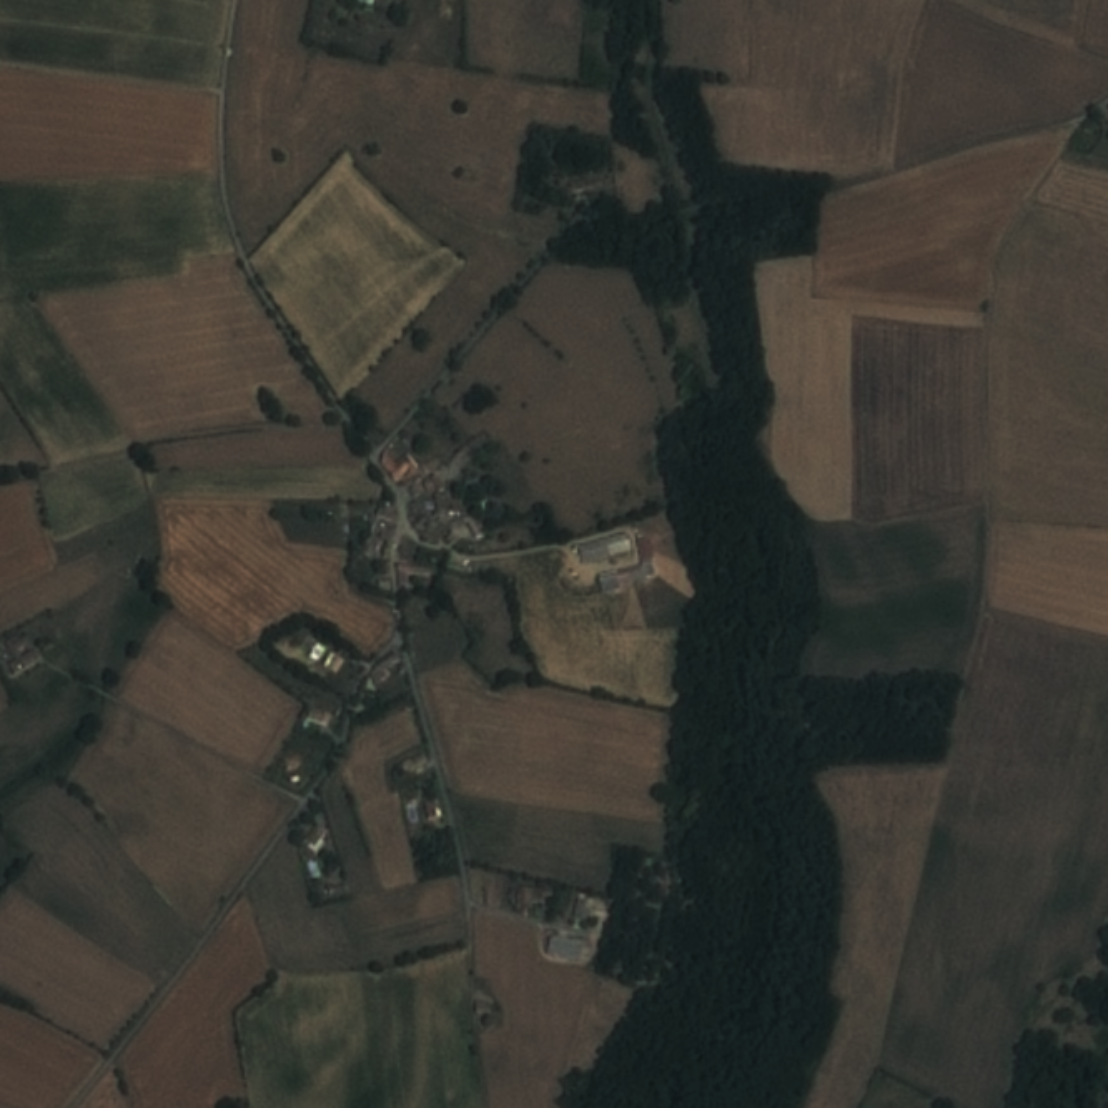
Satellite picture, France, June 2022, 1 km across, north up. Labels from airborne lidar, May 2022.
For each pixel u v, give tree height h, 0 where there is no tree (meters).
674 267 27
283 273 0
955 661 0
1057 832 0
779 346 0
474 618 0
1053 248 0
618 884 14
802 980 13
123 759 0
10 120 0
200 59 0
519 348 0
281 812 0
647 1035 17
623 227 13
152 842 0
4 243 0
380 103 0
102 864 0
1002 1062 0
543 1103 0
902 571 0
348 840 0
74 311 0
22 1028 0
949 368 0
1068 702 0
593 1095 12
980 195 0
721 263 18
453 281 0
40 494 7
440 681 0
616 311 0
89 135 0
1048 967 0
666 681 0
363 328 0
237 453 0
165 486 0
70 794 10
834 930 14
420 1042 0
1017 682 0
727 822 16
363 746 0
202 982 0
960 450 0
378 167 0
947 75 0
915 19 0
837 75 0
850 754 15
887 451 0
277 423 15
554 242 12
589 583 0
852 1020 0
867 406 0
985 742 0
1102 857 0
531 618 0
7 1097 0
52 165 0
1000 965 0
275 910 0
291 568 0
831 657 0
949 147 0
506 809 0
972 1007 0
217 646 0
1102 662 0
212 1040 0
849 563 0
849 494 0
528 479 0
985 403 0
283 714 0
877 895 0
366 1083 0
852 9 0
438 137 0
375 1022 0
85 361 0
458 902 0
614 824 0
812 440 0
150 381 0
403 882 0
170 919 0
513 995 0
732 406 25
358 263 0
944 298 0
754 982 10
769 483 7
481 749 0
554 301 0
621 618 0
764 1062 17
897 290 0
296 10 0
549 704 0
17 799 0
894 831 0
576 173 7
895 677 7
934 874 0
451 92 0
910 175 0
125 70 0
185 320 0
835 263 0
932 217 0
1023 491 0
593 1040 0
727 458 16
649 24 13
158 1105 0
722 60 0
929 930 0
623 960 14
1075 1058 21
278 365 0
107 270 0
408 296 0
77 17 0
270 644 9
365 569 0
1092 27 0
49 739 0
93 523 0
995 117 0
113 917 0
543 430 0
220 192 0
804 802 12
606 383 0
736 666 8
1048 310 0
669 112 12
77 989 0
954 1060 0
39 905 0
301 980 0
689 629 10
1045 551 0
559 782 0
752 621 22
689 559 15
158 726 0
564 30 0
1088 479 0
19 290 0
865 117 0
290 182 0
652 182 0
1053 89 0
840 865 12
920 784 0
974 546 0
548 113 0
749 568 17
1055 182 0
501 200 0
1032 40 0
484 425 0
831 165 0
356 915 0
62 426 0
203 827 0
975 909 0
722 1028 26
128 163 0
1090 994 19
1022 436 0
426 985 0
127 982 0
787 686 20
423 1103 0
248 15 0
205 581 0
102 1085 0
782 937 15
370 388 0
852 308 0
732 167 12
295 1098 0
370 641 0
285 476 0
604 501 0
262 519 0
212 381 0
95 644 0
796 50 0
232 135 0
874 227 0
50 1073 0
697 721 14
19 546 0
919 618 0
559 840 0
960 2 0
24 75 0
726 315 12
